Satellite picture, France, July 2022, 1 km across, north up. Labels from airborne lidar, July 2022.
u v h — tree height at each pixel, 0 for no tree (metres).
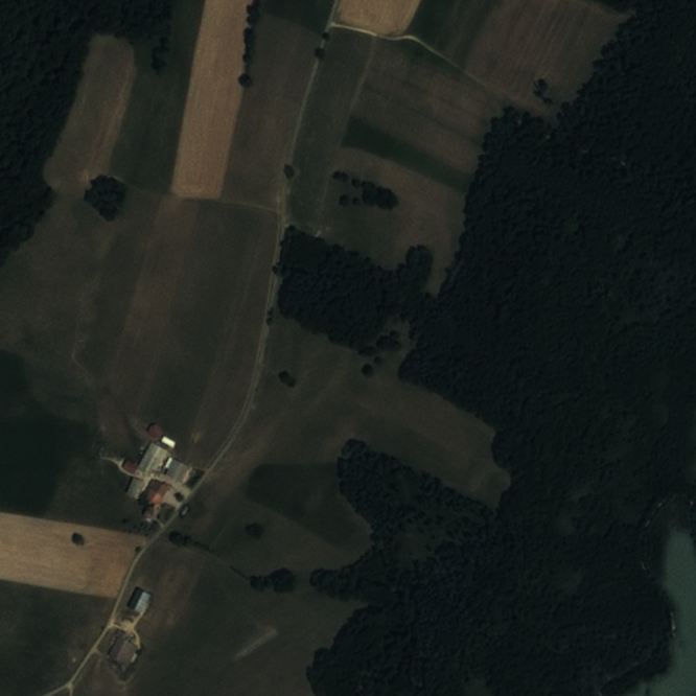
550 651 7
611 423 9
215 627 0
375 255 0
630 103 18
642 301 15
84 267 0
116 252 0
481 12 0
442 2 0
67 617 0
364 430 0
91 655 0
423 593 22
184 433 0
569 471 13
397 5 0
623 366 16
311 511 0
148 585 0
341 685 29
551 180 18
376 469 20
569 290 18
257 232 0
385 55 0
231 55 0
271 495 0
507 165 21
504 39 0
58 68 9
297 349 0
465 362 22
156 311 0
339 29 0
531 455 24
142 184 0
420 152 0
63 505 0
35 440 0
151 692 0
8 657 0
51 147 23
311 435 0
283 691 0
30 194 23
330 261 20
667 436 10
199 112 0
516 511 31
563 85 0
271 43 0
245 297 0
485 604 27
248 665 0
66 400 0
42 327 0
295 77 0
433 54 0
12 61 23
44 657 0
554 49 0
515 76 0
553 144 13
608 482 10
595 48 0
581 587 6
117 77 0
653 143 21
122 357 0
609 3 17
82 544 19
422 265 21
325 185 0
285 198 0
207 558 0
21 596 0
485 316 27
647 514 10
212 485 0
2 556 0
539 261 29
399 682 27
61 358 0
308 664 0
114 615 0
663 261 19
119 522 0
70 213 0
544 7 0
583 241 20
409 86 0
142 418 0
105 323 0
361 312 32
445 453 0
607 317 22
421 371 22
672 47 17
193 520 0
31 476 0
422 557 0
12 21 18
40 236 0
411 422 0
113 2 27
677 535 0
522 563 24
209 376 0
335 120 0
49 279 0
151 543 0
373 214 0
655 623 9
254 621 0
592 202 18
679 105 14
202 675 0
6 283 0
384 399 0
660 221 11
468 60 0
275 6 0
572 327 13
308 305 30
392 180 0
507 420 27
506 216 20
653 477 6
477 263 14
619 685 14
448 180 0
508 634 17
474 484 0
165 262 0
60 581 0
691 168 16
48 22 35
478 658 20
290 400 0
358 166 0
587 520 6
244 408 0
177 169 0
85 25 24
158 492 0
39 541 0
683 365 12
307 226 0
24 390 0
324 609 0
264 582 7
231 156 0
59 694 0
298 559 0
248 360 0
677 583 0
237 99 0
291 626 0
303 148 0
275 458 0
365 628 16
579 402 19
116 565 0
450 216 0
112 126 0
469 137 0
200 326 0
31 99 30
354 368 0
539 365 16
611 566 17
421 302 15
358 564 6
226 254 0
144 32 26
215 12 0
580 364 19
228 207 0
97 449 0
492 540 20
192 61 0
